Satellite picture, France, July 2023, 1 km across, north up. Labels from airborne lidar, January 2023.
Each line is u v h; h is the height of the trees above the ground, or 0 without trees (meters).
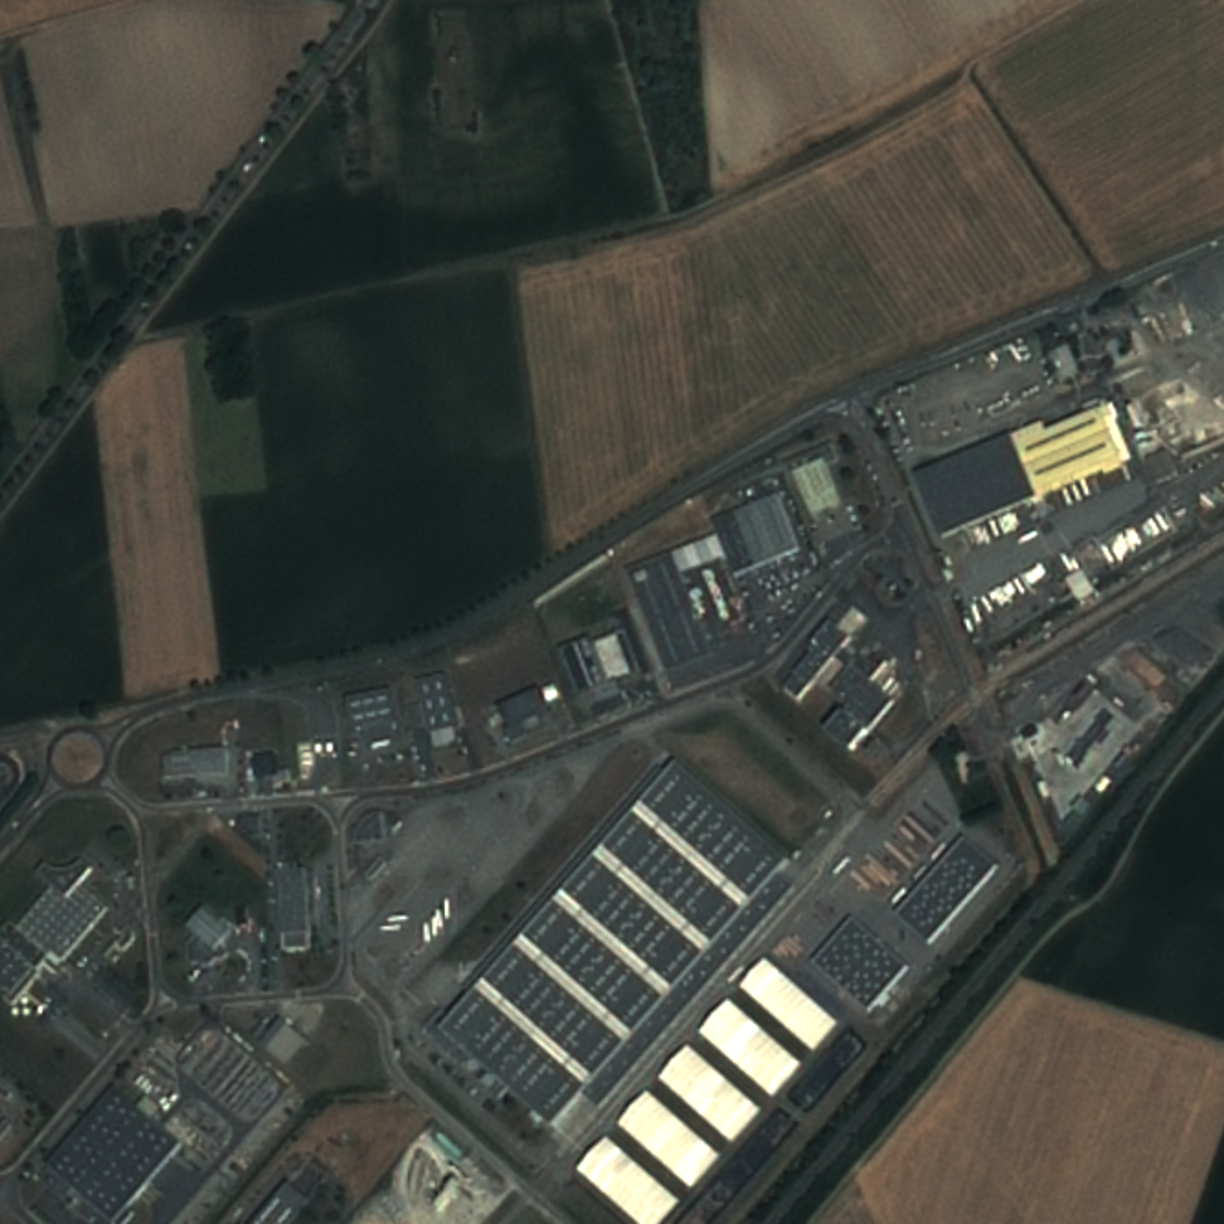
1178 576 0
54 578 0
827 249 0
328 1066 0
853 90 0
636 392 0
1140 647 0
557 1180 0
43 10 0
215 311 0
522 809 0
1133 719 0
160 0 0
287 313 0
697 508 0
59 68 0
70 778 0
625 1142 0
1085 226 0
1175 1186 0
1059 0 0
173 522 0
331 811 0
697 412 0
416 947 0
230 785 0
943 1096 0
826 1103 0
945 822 0
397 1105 0
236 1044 0
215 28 0
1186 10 0
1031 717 0
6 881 0
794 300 0
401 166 0
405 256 0
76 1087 0
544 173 0
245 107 0
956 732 9
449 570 0
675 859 0
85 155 0
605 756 0
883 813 0
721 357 0
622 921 0
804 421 0
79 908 0
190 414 0
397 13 0
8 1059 0
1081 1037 0
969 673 0
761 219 0
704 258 0
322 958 0
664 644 0
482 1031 0
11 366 0
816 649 0
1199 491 0
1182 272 0
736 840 0
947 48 0
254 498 0
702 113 6
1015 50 0
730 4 0
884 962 0
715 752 0
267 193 0
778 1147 0
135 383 0
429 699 0
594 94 0
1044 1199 0
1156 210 0
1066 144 0
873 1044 0
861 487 0
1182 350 0
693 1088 0
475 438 0
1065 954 0
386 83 0
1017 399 0
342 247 0
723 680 0
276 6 0
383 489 0
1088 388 0
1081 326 0
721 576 0
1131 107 0
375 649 0
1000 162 0
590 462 0
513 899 0
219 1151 0
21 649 0
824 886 0
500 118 0
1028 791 0
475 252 0
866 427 0
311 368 0
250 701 0
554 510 0
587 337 0
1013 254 0
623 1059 0
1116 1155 0
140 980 6
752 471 0
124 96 0
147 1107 0
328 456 0
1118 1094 0
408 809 0
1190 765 0
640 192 0
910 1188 0
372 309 0
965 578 0
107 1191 0
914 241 0
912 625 0
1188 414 0
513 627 0
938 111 0
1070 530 0
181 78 0
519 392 0
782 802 0
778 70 0
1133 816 6
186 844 0
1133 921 0
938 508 0
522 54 0
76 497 0
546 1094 0
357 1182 0
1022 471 0
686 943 0
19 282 0
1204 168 0
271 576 0
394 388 0
